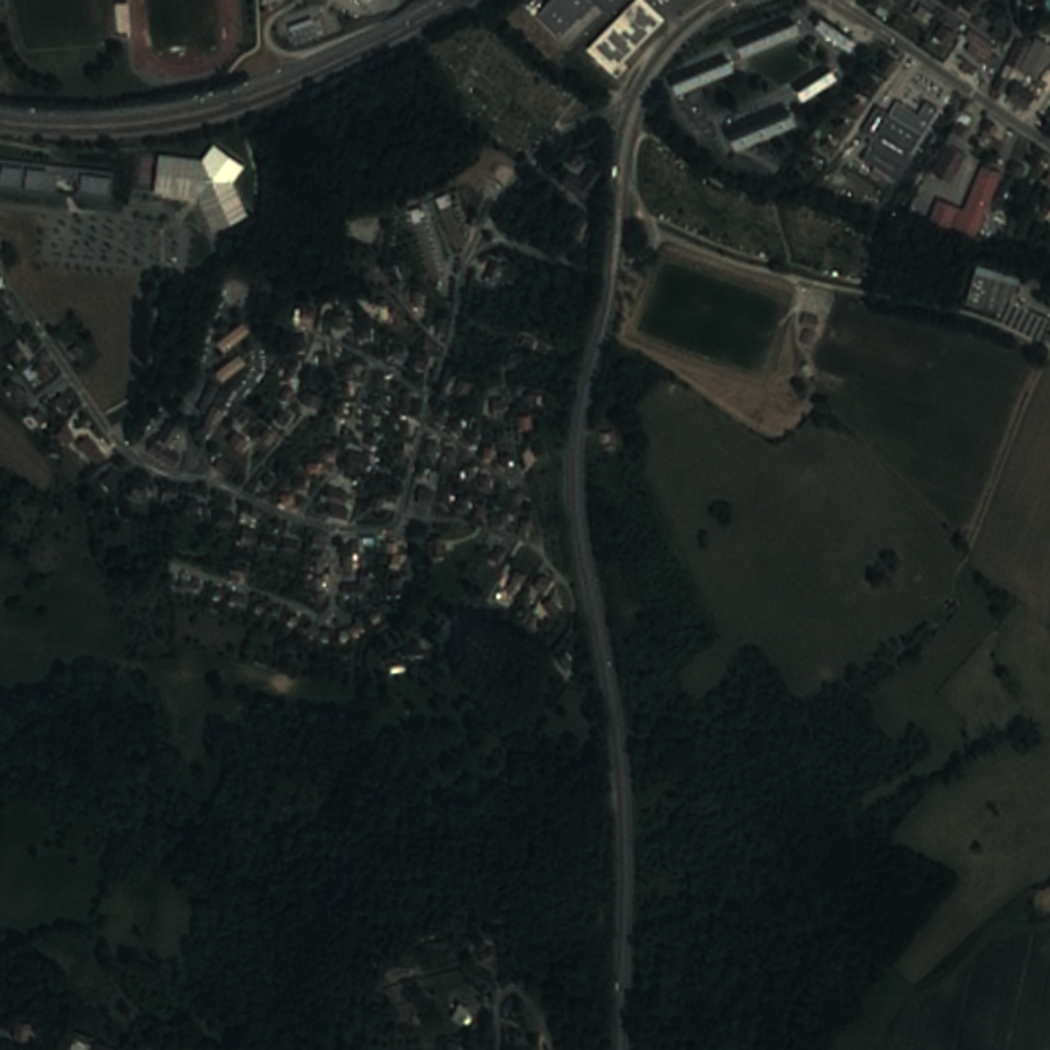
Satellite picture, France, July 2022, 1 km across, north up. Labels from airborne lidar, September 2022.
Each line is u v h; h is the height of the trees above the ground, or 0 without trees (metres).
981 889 0
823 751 9
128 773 17
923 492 0
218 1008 21
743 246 0
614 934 18
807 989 26
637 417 14
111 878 22
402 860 25
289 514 0
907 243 26
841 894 24
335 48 0
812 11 0
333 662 8
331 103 20
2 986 30
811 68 0
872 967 12
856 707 17
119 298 0
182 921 0
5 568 0
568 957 10
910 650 7
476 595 9
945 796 0
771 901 27
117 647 0
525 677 32
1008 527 0
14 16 0
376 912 24
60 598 0
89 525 6
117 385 0
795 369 0
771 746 13
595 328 0
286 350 9
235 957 27
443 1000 0
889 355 0
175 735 19
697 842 10
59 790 26
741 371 0
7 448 0
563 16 0
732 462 0
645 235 14
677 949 20
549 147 17
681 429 0
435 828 24
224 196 0
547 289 15
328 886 23
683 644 8
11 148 0
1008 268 20
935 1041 0
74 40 0
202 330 8
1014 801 0
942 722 0
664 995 22
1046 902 0
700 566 0
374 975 10
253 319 18
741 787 10
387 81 22
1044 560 0
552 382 16
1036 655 0
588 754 15
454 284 7
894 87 0
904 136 0
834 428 9
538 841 30
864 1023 0
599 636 0
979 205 0
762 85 18
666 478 0
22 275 0
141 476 6
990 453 0
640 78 0
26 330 6
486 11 23
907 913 13
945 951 0
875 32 0
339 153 22
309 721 22
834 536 0
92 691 22
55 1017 27
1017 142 0
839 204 14
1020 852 0
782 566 0
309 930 24
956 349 0
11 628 0
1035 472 0
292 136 20
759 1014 28
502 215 19
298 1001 23
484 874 21
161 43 0
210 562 14
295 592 7
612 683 0
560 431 9
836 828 21
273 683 0
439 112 13
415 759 17
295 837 21
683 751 18
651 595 6
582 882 14
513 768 16
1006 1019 0
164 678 0
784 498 0
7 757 23
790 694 20
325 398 6
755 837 7
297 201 24
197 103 0
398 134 11
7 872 0
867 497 0
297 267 22
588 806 11
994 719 0
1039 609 0
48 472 0
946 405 0
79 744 26
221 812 7
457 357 7
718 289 0
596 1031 20
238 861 12
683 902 8
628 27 0
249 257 24
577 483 0
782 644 0
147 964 26
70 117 0
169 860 22
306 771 12
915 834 0
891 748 7
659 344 0
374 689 19
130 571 14
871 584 13
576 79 15
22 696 19
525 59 15
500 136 0
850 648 0
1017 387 0
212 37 0
